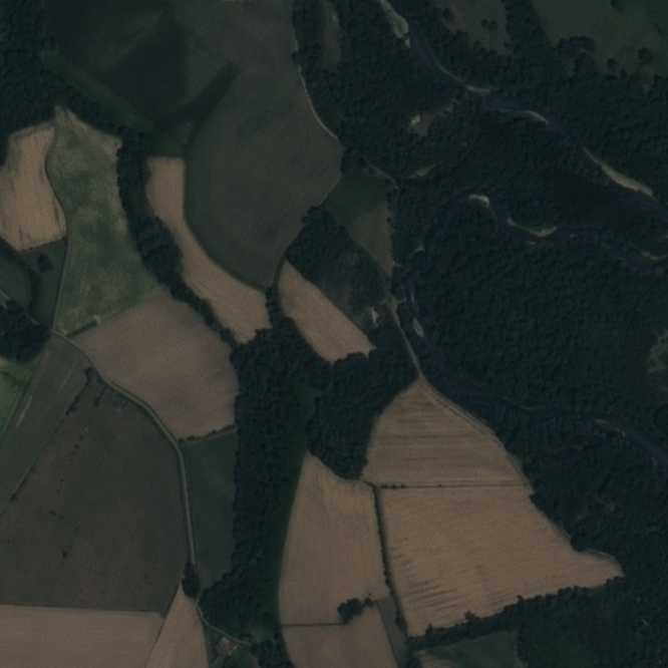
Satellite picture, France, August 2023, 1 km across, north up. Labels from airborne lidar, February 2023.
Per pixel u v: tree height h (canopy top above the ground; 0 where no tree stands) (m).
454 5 0
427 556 0
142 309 0
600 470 13
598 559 0
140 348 0
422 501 0
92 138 0
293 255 13
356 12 22
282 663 25
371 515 0
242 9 0
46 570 0
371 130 19
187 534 0
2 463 0
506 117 18
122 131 10
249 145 0
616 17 0
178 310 0
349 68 16
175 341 0
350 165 16
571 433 33
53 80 16
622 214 12
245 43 0
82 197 0
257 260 0
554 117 0
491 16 0
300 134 0
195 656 0
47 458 0
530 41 19
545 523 0
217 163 0
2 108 15
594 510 11
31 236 0
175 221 0
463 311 14
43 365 0
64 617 0
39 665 0
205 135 0
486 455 0
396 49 16
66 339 0
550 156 14
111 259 0
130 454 0
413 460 0
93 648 0
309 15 13
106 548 0
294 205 0
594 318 9
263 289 0
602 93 29
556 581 0
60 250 0
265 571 9
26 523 0
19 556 0
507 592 0
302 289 0
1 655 0
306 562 0
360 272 7
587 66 27
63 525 0
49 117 11
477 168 10
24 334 7
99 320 0
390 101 17
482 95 0
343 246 9
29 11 15
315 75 22
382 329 8
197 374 0
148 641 0
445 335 12
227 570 0
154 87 0
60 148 0
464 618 0
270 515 22
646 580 16
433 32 23
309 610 0
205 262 0
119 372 0
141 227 6
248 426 21
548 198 10
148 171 29
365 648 0
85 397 0
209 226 0
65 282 0
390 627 0
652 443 0
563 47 8
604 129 19
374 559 0
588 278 20
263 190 0
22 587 0
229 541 0
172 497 0
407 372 14
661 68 0
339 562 0
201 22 0
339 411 13
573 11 0
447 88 13
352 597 0
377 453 0
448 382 6
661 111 24
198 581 20
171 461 0
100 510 0
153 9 0
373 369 17
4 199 0
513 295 16
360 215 0
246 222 0
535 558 0
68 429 0
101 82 0
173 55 0
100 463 0
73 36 0
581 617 0
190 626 0
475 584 0
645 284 8
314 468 0
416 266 0
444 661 0
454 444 0
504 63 9
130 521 0
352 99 14
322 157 0
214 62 0
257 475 22
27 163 0
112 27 0
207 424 0
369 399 26
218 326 26
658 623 15
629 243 12
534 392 20
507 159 12
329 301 0
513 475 0
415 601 0
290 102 0
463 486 0
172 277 23
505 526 0
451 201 0
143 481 0
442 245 27
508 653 0
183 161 0
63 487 0
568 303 18
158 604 0
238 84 0
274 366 24
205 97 0
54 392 0
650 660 16
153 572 0
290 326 19
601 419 0
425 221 12
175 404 0
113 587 0
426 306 13
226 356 0
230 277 0
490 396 0
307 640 0
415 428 0
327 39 0
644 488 19
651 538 9
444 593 0
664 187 12
